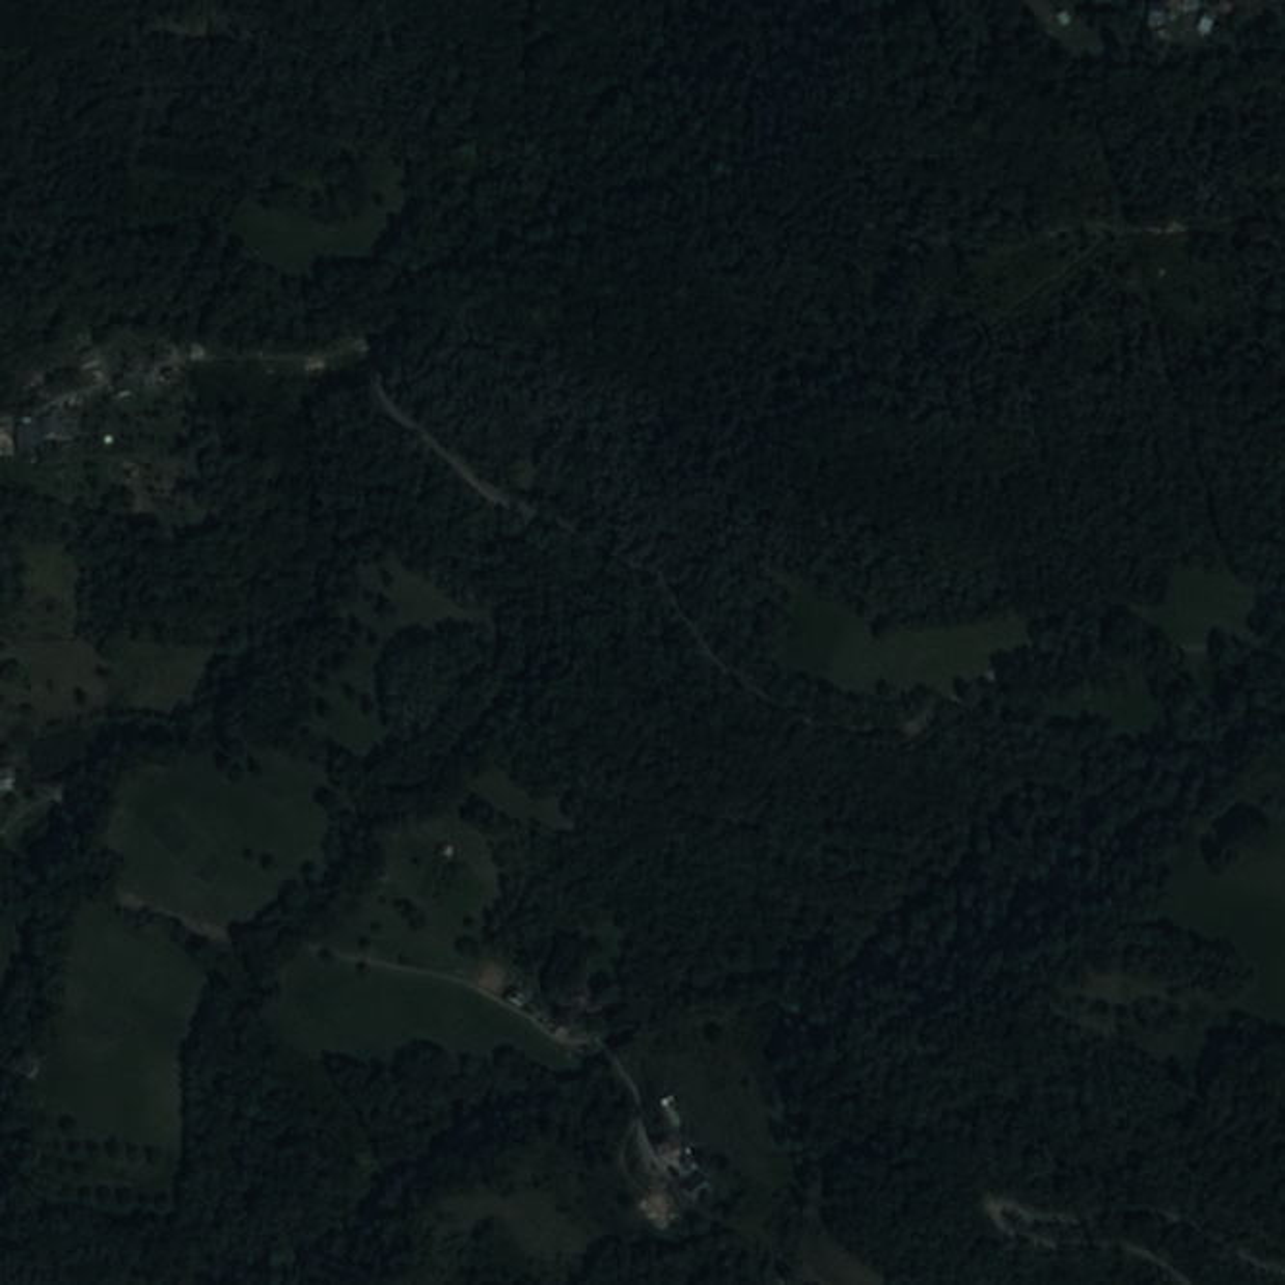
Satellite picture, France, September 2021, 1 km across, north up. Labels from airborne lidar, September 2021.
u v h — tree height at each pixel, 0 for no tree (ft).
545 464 34
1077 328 62
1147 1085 99
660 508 68
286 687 70
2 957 0
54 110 41
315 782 0
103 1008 0
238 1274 120
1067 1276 69
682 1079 0
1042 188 79
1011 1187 59
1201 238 74
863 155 50
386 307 74
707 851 54
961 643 0
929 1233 66
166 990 0
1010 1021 54
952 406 69
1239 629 0
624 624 75
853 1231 71
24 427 0
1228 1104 65
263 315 41
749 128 110
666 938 85
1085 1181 86
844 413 83
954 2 68
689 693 35
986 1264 58
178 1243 77
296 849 0
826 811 50
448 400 81
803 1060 104
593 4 80
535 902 53
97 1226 66
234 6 42
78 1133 44
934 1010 68
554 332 63
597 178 104
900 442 84
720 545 64
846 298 61
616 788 78
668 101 98
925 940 60
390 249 72
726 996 79
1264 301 77
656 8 86
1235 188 92
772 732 58
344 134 97
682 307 62
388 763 62
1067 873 107
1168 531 78
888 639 56
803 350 84
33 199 65
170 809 0
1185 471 69
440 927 0
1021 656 0
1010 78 78
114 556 88
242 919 0
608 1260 56
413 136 72
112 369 0
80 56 68
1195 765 68
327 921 82
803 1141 102
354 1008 0
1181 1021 70
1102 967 58
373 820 76
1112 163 70
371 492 88
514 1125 112
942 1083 31
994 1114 70
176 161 59
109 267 58
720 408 85
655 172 110
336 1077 78
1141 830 70
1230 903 0
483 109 86
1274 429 73
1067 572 76
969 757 80
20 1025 83
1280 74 57
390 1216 42
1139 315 69
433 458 32
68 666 0
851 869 79
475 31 86
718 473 66
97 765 97
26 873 72
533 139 100
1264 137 91
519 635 65
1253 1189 62
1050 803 100
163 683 0
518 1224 0
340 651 57
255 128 79
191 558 79
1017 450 84
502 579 80
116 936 0
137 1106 0
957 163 73
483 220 98
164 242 63
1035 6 0
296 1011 0
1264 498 70
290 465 20
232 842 0
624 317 89
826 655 0
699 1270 69
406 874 0
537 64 85
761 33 78
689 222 115
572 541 43
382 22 65
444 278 96
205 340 93
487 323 58
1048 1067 38
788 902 77
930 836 45
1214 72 63
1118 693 66
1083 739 73
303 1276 74
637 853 43
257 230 0
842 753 68
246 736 67
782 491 91
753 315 70
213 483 59
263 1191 106
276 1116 91
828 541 60
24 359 76
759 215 81
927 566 76
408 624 0
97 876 58
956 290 22
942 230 79
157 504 18
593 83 85
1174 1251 88
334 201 62
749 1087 23
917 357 68
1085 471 58
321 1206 92
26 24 93
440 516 59
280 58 69
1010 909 52
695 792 47
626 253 77
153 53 49
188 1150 45
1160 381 78
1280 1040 60
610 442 63
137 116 60
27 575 65
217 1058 103
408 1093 85
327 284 81
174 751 85
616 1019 81
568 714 67
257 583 51
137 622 66
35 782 32
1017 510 76
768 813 44
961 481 47
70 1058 0
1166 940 60
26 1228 93
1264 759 88
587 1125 98
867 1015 59
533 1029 0
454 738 72
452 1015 0
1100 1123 56
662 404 66
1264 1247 45
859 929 94
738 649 59
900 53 55
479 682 70
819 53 93
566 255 108
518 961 30
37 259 57
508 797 0
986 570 58
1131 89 76
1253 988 49
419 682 73
